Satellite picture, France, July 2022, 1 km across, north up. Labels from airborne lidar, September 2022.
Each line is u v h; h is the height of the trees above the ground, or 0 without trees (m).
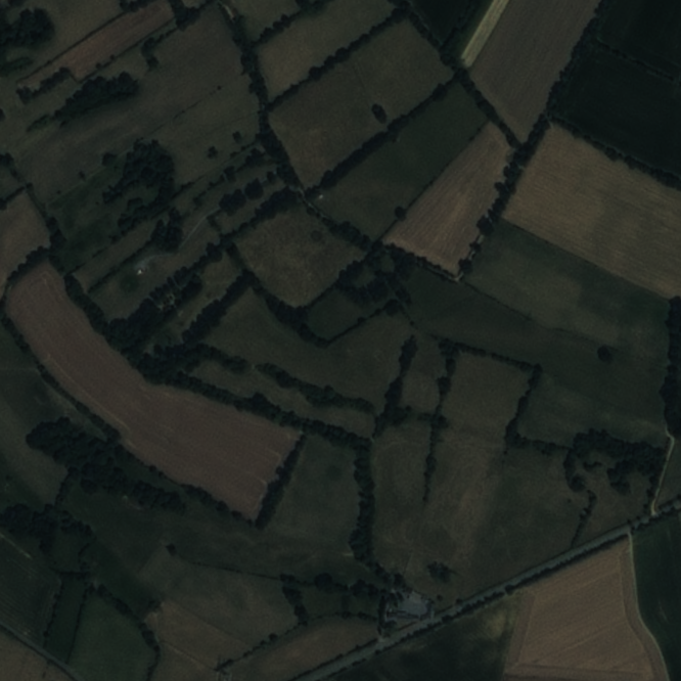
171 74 0
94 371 0
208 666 0
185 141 0
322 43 0
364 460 18
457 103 0
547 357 0
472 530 0
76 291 22
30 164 0
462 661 0
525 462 0
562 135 0
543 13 0
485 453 0
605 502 0
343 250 0
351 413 0
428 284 0
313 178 0
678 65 0
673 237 0
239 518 10
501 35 0
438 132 0
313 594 0
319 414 0
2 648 0
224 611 0
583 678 0
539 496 0
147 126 0
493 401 0
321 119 0
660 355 0
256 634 0
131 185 18
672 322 16
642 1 0
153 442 0
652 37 0
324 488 0
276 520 0
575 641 0
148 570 0
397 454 0
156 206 13
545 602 0
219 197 0
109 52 0
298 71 0
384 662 0
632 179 0
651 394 0
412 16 14
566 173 0
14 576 0
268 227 0
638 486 0
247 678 0
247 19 0
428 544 0
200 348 17
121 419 0
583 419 0
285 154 15
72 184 0
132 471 0
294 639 0
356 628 0
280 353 0
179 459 0
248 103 0
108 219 0
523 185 0
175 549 15
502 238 0
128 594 0
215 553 0
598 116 0
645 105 0
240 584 0
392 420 18
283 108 0
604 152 7
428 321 0
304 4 17
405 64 0
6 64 0
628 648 0
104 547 0
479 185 0
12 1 14
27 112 0
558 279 0
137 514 0
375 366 0
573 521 0
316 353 0
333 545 0
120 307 0
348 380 0
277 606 0
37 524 19
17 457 0
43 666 0
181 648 0
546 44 0
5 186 0
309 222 0
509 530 0
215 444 0
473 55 0
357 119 0
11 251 0
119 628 0
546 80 0
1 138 0
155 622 0
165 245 19
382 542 0
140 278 0
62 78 13
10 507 0
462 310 0
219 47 0
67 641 0
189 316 0
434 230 0
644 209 0
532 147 17
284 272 0
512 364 5
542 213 0
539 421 0
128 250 0
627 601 0
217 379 0
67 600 0
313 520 0
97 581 0
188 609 0
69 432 11
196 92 0
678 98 0
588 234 0
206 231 0
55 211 0
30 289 0
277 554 0
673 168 0
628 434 0
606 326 0
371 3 0
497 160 0
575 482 14
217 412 0
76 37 0
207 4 7
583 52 19
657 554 0
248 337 0
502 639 0
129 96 7
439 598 6
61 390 6
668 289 0
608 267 0
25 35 11
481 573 0
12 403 0
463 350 11
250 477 0
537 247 0
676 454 0
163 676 0
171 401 0
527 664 0
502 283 0
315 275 0
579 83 0
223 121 0
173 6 12
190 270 7
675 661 0
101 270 0
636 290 0
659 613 0
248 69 16
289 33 0
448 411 0
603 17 15
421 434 0
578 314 0
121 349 8
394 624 12
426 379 0
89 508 0
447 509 0
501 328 0
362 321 10
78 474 17
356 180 0
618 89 0
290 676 0
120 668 0
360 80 0
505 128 13
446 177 0
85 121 0
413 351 14
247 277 19
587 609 0
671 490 0
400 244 0
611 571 0
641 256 0
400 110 0
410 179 0
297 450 11
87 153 0
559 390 0
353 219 0
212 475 0
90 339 0
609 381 0
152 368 13
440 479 0
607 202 0
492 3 0
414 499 0
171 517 0
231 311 0
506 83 0
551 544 0
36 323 0
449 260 0
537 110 0
